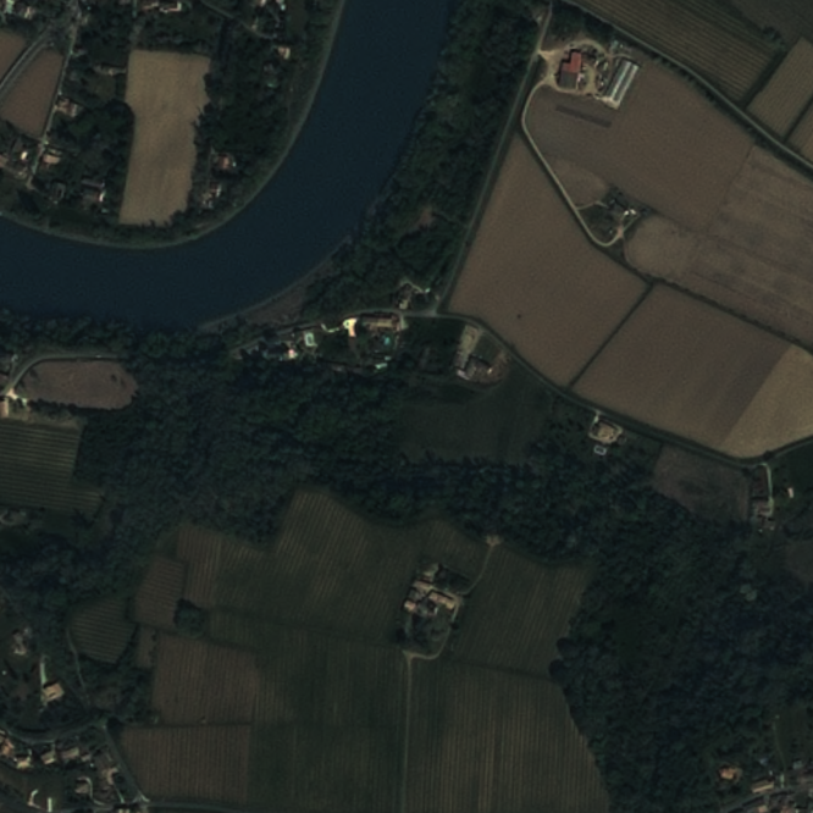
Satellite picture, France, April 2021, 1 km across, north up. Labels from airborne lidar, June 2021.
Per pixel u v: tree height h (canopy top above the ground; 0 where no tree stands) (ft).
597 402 0
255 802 0
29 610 74
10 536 0
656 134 0
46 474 0
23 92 0
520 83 65
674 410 0
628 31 0
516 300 0
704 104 0
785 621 38
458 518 63
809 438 0
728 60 0
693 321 0
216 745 0
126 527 68
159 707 0
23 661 0
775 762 29
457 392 0
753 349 0
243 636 0
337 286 56
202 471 66
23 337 67
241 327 44
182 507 64
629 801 49
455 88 46
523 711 0
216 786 0
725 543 64
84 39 32
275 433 74
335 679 0
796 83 0
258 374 62
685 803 39
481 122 62
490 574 0
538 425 0
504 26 92
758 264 0
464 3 42
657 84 0
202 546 0
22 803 0
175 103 0
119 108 47
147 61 0
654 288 0
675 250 0
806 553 0
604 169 0
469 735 0
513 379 0
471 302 0
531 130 0
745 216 0
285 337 0
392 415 53
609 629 42
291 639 0
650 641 39
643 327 0
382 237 70
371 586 0
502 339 0
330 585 0
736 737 23
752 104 0
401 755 0
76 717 22
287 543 0
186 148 0
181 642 0
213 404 67
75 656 35
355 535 0
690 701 62
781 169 0
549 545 18
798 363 0
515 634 0
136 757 0
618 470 52
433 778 0
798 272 0
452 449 0
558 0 0
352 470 41
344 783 0
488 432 0
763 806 0
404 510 54
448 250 50
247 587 0
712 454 0
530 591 0
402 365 24
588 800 0
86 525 79
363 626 0
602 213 0
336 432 35
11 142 28
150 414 17
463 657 0
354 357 90
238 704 0
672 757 31
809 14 0
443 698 0
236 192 53
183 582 0
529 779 0
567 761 0
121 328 47
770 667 63
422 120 39
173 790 0
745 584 91
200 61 0
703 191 0
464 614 0
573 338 0
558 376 0
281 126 56
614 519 60
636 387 0
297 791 0
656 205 0
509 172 0
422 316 0
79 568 68
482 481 74
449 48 38
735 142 0
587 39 0
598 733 73
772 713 33
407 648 40
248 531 57
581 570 0
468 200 42
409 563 0
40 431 0
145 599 0
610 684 78
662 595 78
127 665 32
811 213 0
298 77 0
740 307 0
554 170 0
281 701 0
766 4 0
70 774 23
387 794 0
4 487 0
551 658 0
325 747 0
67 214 0
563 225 0
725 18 0
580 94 0
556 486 29
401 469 62
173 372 74
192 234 35
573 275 0
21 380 0
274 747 0
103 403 0
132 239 31
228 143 27
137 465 54
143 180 0
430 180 75
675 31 0
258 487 70
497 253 0
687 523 52
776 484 0
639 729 50
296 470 78
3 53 0
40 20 42
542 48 0
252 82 31
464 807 0
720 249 0
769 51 0
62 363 0
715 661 39
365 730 0
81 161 18
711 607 31
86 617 0
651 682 49
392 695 0
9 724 52
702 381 0
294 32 0
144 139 0
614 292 0
